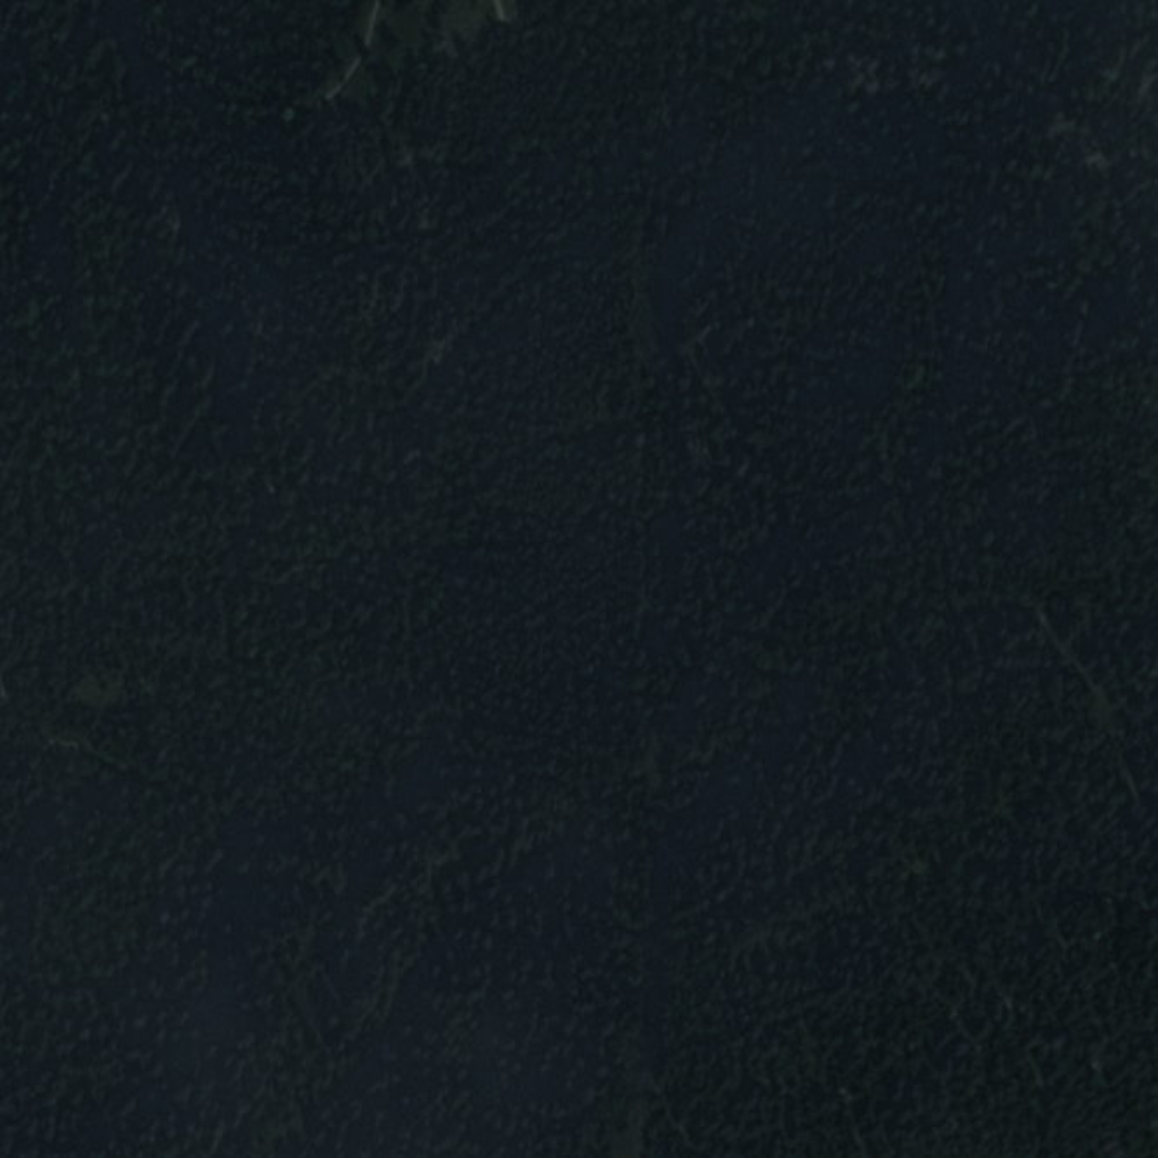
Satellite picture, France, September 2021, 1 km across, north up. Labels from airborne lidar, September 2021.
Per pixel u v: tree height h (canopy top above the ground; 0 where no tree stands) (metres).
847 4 27
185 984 8
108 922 12
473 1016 11
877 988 15
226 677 9
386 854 28
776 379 20
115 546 32
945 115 22
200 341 23
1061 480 11
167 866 30
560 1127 7
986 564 27
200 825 27
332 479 32
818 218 16
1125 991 11
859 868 11
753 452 16
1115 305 19
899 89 22
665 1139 14
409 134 18
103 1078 32
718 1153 24
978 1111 18
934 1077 26
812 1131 10
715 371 15
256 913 17
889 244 19
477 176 17
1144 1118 12
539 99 17
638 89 19
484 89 22
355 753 31
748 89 20
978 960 26
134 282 20
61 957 16
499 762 11
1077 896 9
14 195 20
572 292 28
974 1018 6
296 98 30
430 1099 12
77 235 20
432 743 7
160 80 33
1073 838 9
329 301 21
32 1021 21
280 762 24
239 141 29
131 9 20
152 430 26
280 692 14
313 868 35
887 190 16
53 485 14
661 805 13
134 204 24
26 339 27
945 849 8
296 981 33
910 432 12
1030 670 32
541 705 30
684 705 5
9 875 8
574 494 29
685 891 11
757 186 8
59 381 20
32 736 24
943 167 35
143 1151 14
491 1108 31
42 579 31
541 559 32
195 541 14
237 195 33
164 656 19
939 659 10
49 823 13
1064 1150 28
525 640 27
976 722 12
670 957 12
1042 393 15
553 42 17
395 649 14
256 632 14
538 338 22
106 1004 12
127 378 35
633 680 25
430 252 14
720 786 10
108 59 9
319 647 16
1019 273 37
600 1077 29
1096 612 6
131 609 32
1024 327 10
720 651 18
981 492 15
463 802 30
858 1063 23
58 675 20
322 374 21
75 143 30
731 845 29
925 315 29
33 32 27
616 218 31
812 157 27
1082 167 0
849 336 36
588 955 7
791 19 41
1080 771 9
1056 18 35
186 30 7
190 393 36
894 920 26
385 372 7
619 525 32
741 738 16
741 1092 7
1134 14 45
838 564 28
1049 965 15
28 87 25
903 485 16
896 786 10
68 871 11
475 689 31
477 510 11
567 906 16
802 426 16
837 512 18
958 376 12
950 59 14
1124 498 9
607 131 10
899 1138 28
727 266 26
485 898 32
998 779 23
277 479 20
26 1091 21
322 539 30
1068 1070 12
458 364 13
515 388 28
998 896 30
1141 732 7
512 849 34
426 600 19
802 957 9
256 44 21
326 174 26
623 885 17
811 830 28
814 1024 7
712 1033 15
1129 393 11
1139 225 18
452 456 14
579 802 17
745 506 14
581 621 31
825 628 14
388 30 0
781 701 12
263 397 36
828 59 29
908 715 33
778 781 11
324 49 13
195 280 18
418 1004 11
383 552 7
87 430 16
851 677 11
